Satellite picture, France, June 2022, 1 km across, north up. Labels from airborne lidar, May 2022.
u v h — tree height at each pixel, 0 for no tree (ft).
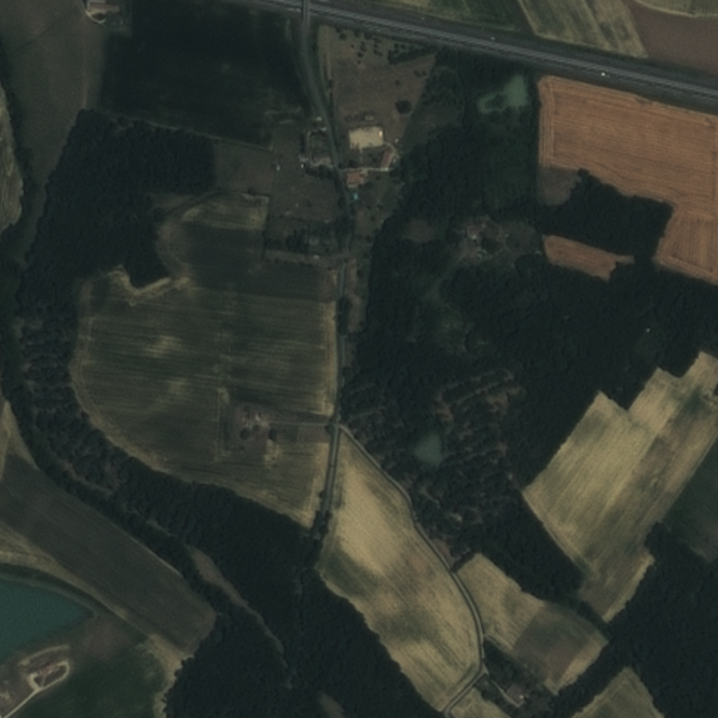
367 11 0
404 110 55
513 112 43
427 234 0
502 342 41
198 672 65
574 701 53
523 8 0
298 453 0
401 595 0
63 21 0
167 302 0
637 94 0
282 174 0
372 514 0
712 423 0
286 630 54
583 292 44
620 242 54
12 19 0
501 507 63
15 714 0
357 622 60
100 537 0
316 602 43
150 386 0
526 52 0
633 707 0
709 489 0
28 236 0
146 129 68
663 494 0
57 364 61
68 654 0
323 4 0
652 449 0
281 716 82
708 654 45
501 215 43
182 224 0
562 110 0
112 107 0
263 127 0
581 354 36
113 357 0
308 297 0
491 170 28
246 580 60
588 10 0
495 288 59
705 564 46
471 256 0
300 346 0
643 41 0
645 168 0
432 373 63
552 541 24
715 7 0
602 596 0
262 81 0
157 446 0
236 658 58
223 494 48
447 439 46
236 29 0
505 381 39
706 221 0
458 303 23
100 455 72
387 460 45
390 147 0
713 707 21
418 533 0
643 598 48
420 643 0
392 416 72
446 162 66
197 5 0
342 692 75
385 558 0
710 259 0
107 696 0
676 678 58
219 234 0
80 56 0
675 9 0
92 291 0
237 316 0
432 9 0
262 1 0
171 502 43
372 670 51
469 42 0
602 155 0
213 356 0
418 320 20
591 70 0
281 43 0
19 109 49
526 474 19
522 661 0
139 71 0
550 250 0
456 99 23
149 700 0
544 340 41
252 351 0
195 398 0
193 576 46
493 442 57
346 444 0
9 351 21
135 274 39
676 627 59
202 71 0
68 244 42
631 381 35
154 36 0
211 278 0
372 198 0
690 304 48
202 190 52
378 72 0
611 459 0
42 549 0
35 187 53
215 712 53
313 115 0
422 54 32
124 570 0
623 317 51
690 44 0
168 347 0
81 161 51
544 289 31
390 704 47
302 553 41
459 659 0
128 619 0
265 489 0
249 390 0
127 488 58
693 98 0
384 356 54
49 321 66
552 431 39
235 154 0
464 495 73
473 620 0
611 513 0
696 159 0
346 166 23
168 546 50
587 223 52
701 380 0
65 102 0
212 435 0
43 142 0
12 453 0
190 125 0
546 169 0
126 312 0
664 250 0
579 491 0
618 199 54
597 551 0
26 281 69
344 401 32
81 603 0
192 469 0
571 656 0
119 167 64
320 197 0
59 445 60
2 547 0
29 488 0
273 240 26
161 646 0
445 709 0
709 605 53
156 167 56
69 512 0
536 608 0
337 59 0
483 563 0
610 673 50
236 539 40
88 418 49
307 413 0
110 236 43
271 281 0
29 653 0
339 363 0
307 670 72
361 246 0
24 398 51
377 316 61
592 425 0
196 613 0
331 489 0
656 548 48
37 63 0
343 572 0
